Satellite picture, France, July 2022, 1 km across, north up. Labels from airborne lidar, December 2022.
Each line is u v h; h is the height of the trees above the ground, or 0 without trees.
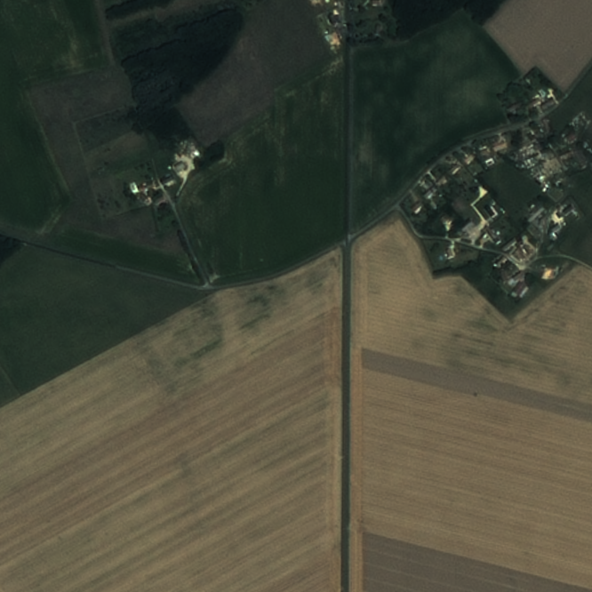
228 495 0
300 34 0
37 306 0
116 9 16
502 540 0
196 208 0
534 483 0
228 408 0
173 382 0
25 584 0
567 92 0
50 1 0
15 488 0
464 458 0
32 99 0
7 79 0
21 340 0
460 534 0
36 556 0
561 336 0
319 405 0
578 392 0
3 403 0
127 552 0
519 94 7
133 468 0
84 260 0
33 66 0
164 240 0
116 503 0
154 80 21
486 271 0
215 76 0
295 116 0
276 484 0
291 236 0
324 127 0
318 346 0
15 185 0
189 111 0
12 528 0
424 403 0
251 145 0
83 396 0
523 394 0
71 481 0
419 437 0
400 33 13
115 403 0
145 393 0
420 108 0
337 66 0
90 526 0
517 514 0
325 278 0
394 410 0
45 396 0
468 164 0
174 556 0
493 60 0
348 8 0
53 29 0
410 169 0
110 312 0
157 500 0
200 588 0
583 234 0
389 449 0
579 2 0
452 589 0
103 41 0
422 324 0
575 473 0
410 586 0
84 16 0
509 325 0
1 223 0
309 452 0
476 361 0
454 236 10
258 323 0
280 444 0
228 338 0
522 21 0
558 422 0
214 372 0
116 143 0
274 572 0
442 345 0
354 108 0
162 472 0
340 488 0
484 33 0
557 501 0
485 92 0
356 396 0
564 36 0
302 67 0
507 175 0
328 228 0
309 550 0
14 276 0
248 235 0
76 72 0
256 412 0
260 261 0
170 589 0
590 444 0
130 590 0
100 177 0
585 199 0
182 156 0
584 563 0
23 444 0
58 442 0
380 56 0
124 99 0
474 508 0
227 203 0
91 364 0
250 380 0
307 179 0
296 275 0
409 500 0
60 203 0
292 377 0
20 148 0
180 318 0
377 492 0
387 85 0
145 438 0
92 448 0
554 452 0
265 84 0
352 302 0
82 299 0
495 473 0
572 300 0
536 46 0
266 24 0
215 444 0
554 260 0
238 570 0
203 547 0
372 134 0
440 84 0
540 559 0
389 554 0
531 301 0
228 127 0
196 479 0
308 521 0
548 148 9
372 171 0
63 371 0
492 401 0
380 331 0
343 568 0
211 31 20
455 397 0
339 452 0
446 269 9
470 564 0
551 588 0
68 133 0
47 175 0
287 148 0
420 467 0
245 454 0
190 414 0
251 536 0
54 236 0
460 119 0
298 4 0
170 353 0
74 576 0
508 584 0
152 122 12
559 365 0
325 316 0
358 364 0
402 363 0
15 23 0
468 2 10
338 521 0
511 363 0
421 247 0
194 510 0
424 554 0
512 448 0
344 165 0
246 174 0
